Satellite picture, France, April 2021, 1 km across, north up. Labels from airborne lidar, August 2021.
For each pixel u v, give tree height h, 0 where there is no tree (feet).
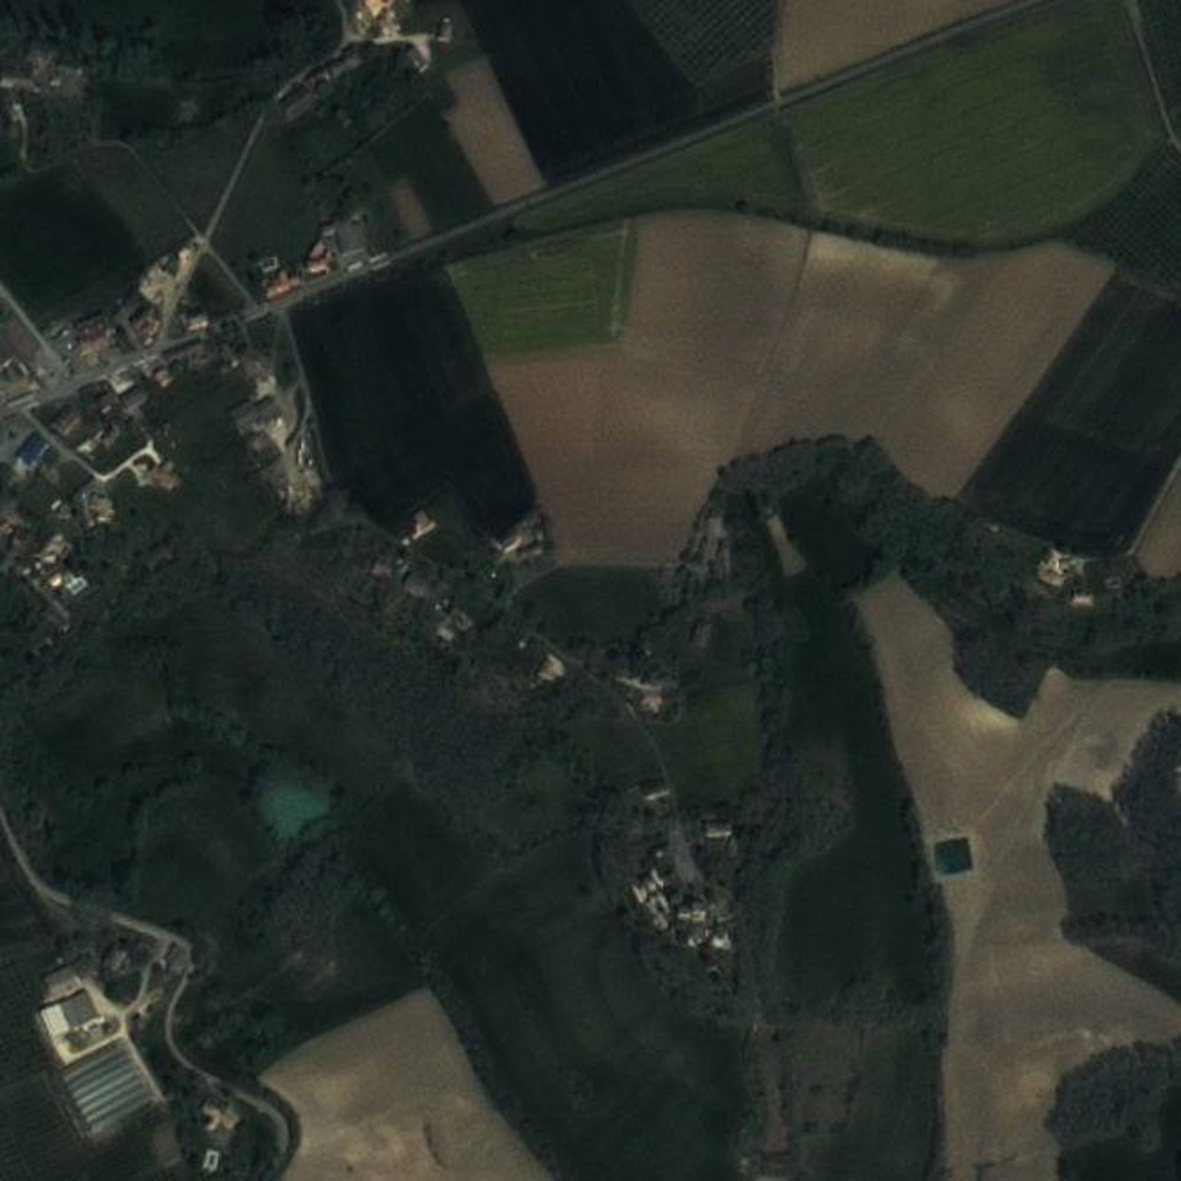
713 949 30
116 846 0
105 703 0
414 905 0
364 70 0
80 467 0
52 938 0
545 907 0
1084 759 0
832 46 0
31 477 26
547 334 0
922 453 0
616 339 0
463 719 64
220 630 0
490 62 0
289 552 48
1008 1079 0
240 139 0
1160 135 0
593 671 37
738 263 0
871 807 0
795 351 0
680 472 0
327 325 0
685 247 0
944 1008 58
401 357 0
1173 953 83
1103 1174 0
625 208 0
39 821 66
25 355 0
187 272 0
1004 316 0
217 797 0
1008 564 58
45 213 0
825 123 0
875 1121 0
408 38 0
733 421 0
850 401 0
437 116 0
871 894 0
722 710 0
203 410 0
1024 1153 0
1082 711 0
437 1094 0
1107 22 0
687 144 0
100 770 0
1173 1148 0
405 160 0
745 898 47
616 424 0
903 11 0
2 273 0
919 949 0
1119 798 49
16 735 44
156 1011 29
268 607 82
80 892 68
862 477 51
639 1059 0
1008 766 0
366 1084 0
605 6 0
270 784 60
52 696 45
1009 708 69
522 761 46
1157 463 0
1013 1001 0
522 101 0
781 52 0
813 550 0
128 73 49
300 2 0
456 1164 0
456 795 69
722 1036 0
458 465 0
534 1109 0
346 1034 0
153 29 42
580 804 0
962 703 0
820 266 0
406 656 47
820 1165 0
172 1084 24
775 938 56
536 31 0
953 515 46
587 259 0
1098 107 0
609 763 0
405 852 0
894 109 0
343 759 0
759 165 0
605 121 0
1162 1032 0
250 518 0
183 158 0
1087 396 0
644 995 0
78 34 73
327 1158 0
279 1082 0
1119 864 78
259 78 0
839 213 0
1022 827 0
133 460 0
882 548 63
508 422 0
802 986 0
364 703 83
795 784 62
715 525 0
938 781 0
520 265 0
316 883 75
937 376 0
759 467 59
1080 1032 0
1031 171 0
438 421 0
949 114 0
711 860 48
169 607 63
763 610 78
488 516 0
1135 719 0
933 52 0
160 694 0
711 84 0
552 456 0
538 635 42
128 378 0
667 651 56
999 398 0
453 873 0
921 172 0
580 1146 0
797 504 0
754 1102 35
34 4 0
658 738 0
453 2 0
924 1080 0
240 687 0
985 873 0
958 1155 0
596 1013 0
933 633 0
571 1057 0
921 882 52
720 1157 0
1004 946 0
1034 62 0
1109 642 83
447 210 0
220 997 45
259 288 21
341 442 0
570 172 0
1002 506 0
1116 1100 71
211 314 24
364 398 0
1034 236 0
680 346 0
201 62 0
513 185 0
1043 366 0
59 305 0
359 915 0
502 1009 0
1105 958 0
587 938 0
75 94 0
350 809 47
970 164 0
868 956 0
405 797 0
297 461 0
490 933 0
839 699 0
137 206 0
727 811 30
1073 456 0
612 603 0
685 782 0
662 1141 0
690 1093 0
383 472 0
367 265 0
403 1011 0
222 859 0
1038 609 52
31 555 26
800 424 0
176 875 0
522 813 0
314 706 0
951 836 0
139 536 0
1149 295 0
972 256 50
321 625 55
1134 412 0
